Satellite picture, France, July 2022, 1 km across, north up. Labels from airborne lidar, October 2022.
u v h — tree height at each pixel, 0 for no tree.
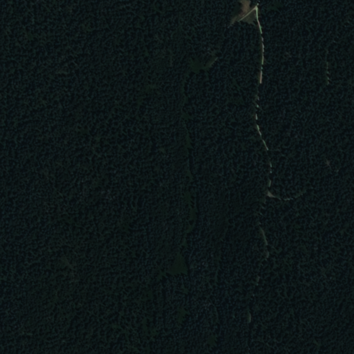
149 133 18
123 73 21
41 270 19
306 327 25
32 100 20
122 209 24
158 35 9
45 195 13
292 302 14
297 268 28
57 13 11
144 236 32
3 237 23
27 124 30
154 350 12
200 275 29
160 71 7
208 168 12
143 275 25
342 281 14
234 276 32
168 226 23
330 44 19
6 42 27
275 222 17
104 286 23
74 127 26
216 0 8
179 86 24
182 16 20
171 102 19
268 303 30
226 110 29
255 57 29
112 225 29
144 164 27
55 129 27
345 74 7
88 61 20
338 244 18
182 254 13
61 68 26
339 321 12
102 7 21
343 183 31
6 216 29
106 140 16
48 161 16
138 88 13
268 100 35
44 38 24
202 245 29
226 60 17
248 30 19
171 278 29
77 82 28
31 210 29
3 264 27
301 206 38
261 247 25
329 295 22
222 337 17
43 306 10
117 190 22
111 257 20
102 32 21
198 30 26
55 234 15
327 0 24
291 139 21
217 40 17
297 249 34
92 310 25
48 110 18
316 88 8
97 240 30
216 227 17
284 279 30
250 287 31
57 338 19
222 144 30
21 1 33
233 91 21
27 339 22
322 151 14
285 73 37
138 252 18
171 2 29
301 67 32
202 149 19
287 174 16
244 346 30
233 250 22
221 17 22
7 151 31
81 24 25
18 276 19
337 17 32
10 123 19
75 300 19
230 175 35
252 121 25
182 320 0
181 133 18
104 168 15
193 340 12
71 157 27
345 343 24
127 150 43
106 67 16
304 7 34
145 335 8
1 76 24
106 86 25
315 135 9
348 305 19
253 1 24
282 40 37
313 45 23
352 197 22
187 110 22
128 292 30
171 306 16
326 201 30
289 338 21
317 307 26
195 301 24
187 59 24
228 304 30
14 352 20
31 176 14
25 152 32
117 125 28
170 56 12
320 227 34
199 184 20
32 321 22
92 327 25
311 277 30
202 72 14
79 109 29
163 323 18
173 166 24
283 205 7
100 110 8
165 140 23
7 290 11
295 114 7
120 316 37
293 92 12
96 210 21
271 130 30
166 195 24
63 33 33
